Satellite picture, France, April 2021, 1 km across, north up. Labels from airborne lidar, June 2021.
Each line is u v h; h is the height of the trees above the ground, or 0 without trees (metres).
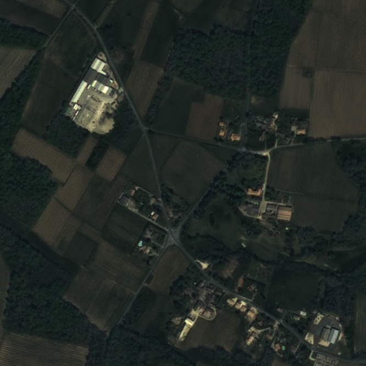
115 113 17
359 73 0
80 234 0
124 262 0
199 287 0
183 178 0
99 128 0
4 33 21
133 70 0
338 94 0
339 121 0
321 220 0
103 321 0
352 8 0
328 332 0
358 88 0
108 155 0
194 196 0
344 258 0
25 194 25
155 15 0
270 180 0
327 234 0
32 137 0
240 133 0
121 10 0
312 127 0
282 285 0
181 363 20
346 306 15
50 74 0
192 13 0
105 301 0
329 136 0
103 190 0
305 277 0
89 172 0
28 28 11
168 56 0
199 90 0
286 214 0
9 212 17
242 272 0
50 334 12
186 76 22
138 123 15
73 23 0
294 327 8
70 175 0
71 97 11
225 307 0
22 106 19
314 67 0
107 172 0
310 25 0
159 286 0
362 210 15
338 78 0
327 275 8
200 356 6
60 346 0
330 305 18
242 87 20
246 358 20
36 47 19
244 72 20
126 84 0
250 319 0
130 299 0
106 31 13
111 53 12
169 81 13
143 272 0
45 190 22
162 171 0
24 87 16
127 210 0
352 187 0
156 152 0
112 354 22
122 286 0
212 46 21
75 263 0
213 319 0
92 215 0
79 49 0
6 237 20
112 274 0
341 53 0
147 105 0
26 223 18
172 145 0
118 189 0
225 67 20
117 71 0
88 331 15
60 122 15
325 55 0
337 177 0
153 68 0
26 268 20
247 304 0
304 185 0
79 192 0
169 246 0
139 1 0
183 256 0
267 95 15
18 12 0
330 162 0
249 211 0
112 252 0
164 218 0
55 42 0
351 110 0
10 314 13
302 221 0
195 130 0
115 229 0
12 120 22
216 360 13
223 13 0
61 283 19
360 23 0
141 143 0
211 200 9
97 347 13
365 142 0
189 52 26
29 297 21
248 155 16
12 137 16
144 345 13
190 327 0
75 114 0
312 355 0
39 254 17
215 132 0
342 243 14
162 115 0
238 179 0
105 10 10
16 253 15
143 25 0
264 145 0
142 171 0
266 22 23
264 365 19
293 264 12
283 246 0
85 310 0
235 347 0
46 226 0
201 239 8
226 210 0
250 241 0
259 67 25
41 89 0
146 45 0
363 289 9
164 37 0
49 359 0
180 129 0
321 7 0
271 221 6
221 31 20
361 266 14
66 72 0
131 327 12
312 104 0
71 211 0
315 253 32
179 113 0
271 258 0
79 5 0
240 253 15
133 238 0
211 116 0
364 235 18
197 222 0
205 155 0
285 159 0
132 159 0
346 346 0
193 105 0
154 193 0
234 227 0
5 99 17
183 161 0
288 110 0
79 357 0
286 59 23
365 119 0
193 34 17
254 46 26
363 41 0
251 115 11
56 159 0
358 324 0
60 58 0
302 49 0
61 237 0
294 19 21
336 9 0
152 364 15
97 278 0
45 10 0
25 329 22
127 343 21
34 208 17
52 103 0
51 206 0
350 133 0
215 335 0
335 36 0
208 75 18
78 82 9
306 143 17
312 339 0
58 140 14
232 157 0
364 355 15
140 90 0
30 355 0
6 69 0
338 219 0
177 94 0
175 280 0
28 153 0
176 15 0
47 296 22
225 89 23
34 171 19
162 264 0
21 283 19
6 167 29
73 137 14
